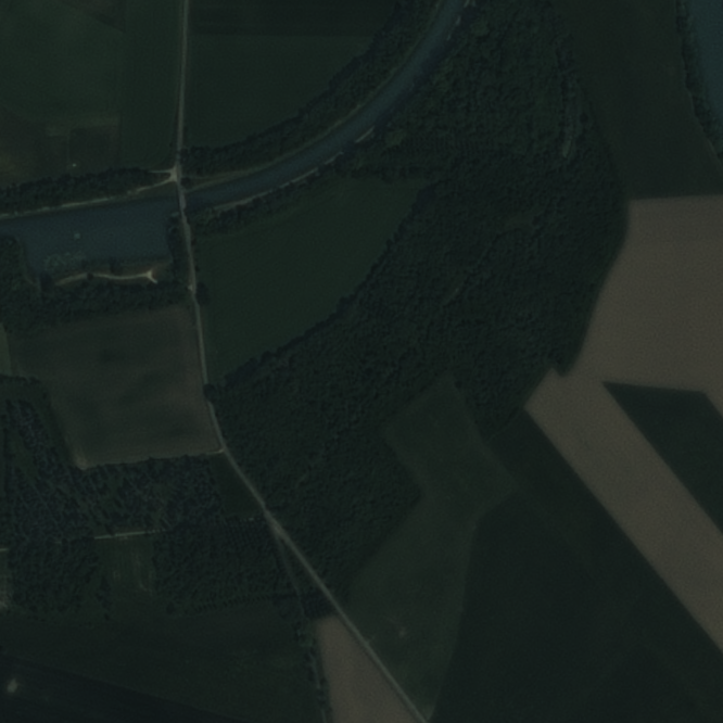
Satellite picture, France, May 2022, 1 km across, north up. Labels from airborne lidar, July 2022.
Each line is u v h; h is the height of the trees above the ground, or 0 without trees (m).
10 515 19
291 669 0
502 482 0
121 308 16
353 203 0
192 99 0
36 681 0
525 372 14
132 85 0
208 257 0
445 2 0
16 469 16
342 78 23
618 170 6
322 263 0
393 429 0
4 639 0
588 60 0
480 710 0
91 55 0
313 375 7
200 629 0
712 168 0
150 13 0
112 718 0
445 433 0
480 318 7
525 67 19
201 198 0
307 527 12
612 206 13
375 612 0
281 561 22
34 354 0
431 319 6
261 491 9
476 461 0
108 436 0
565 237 13
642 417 0
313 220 0
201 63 0
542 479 0
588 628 0
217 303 0
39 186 13
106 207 0
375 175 13
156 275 0
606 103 0
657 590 0
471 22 31
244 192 0
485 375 17
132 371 0
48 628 0
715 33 0
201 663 0
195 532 27
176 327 0
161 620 0
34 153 0
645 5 0
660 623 0
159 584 7
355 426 11
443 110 16
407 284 19
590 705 0
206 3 0
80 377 0
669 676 0
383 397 9
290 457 11
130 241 0
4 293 21
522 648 0
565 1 0
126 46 0
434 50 0
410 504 7
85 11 0
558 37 24
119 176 19
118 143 0
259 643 0
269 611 0
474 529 0
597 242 12
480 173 15
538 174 15
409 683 0
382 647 0
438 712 0
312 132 16
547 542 0
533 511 0
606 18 0
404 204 0
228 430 11
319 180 11
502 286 15
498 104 21
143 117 0
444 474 0
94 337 0
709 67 0
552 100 19
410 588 0
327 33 0
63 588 17
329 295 0
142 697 0
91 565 17
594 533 0
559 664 0
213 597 14
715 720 0
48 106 0
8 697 0
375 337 13
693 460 0
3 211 14
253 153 18
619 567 0
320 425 11
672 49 0
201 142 0
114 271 12
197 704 0
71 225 0
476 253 14
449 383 0
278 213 23
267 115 0
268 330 0
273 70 0
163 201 0
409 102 23
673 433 0
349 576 6
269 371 18
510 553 0
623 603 0
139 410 0
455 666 0
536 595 0
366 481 13
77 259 0
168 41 0
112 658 0
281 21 0
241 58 0
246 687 0
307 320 0
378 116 0
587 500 0
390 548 0
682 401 0
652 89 0
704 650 0
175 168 0
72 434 0
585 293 12
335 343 11
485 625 0
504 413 7
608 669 0
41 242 0
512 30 27
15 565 17
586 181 13
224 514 17
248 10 0
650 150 0
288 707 0
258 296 0
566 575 0
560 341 14
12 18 0
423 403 0
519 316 13
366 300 11
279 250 0
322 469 9
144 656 0
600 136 6
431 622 0
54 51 0
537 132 19
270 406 10
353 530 13
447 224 15
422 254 19
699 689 0
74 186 19
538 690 0
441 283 19
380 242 0
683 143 0
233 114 0
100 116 0
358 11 0
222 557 14
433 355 8
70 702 0
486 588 0
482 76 28
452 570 0
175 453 0
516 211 12
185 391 0
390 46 21
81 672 0
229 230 27
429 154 14
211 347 0
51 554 20
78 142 0
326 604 22
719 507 0
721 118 0
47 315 19
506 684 0
